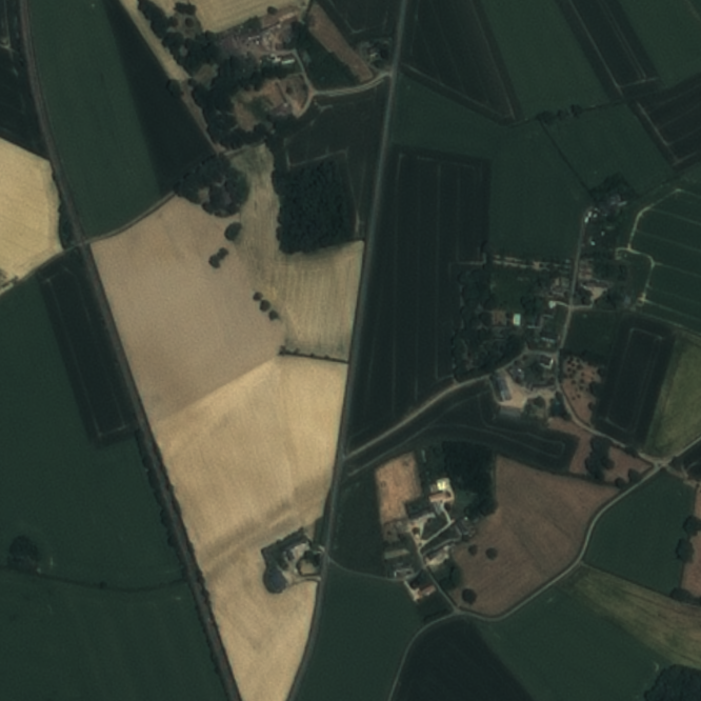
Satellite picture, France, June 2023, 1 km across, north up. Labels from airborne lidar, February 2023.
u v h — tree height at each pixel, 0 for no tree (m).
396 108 0
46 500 0
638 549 0
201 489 0
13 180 0
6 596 0
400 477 0
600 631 0
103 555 0
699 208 0
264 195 0
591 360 15
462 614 0
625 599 0
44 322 0
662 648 0
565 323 0
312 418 0
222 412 0
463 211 0
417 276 0
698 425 0
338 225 12
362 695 0
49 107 0
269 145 16
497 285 0
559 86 0
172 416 0
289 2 0
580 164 0
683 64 0
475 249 0
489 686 0
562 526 0
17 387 0
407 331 0
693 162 0
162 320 0
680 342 0
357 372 0
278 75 16
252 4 0
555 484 0
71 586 0
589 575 0
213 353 0
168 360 0
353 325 0
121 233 0
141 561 0
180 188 15
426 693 0
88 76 0
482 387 0
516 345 17
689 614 0
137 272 0
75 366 0
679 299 0
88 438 0
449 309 0
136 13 0
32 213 0
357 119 0
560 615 0
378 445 0
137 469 0
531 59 0
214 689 0
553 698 0
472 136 0
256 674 0
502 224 0
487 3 0
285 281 0
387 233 0
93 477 0
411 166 0
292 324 0
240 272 0
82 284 0
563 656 0
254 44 0
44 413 0
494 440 0
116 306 0
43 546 0
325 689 0
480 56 0
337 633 0
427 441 0
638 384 0
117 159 0
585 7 0
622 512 0
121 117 0
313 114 0
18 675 0
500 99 0
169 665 0
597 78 0
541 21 0
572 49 0
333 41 0
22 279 0
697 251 0
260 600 0
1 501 0
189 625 0
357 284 0
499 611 0
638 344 0
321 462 0
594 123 0
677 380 0
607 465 17
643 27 0
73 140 0
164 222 0
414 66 0
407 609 0
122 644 0
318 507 0
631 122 0
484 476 12
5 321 0
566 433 0
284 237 17
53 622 0
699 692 24
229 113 19
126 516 0
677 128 0
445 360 0
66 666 0
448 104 0
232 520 0
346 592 0
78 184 0
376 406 0
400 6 0
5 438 0
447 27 0
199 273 0
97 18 0
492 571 0
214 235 0
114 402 0
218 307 0
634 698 0
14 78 0
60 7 0
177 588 0
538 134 0
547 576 0
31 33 0
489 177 0
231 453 0
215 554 0
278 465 0
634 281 0
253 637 0
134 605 0
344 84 0
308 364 0
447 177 0
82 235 0
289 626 0
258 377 0
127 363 0
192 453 0
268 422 0
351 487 0
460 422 0
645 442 0
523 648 0
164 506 12
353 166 0
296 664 0
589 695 0
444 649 0
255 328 0
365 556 0
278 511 0
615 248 0
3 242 0
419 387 0
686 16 0
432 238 0
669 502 0
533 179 0
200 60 21
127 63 0
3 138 0
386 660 0
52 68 0
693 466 0
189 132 0
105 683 0
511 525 0
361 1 0
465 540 11
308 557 10
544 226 0
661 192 0
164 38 22
